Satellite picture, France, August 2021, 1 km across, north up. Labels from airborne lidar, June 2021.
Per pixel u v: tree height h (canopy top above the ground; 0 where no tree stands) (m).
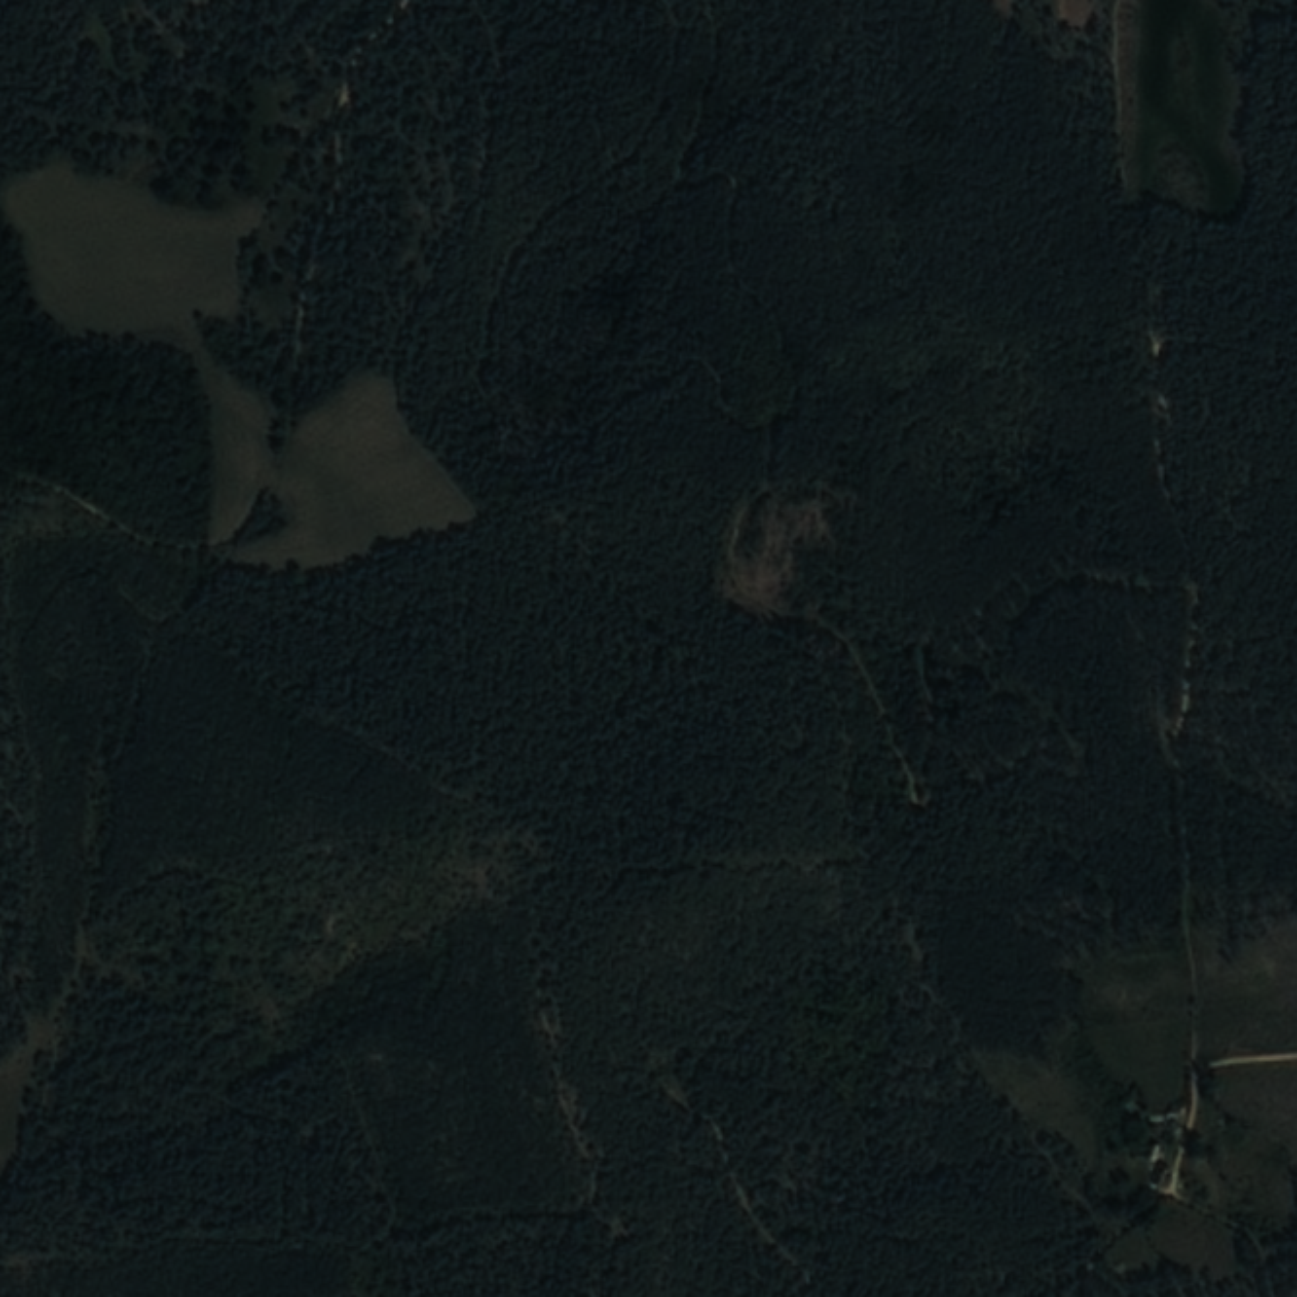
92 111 15
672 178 16
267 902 6
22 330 12
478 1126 8
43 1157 11
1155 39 0
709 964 11
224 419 0
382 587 15
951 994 17
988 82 11
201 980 7
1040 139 15
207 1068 8
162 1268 8
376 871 5
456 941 7
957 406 16
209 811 6
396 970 9
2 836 10
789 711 15
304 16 15
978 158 13
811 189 10
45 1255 14
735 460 18
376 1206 15
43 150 13
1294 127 9
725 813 8
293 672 17
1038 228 14
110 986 9
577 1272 14
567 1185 6
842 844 9
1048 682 23
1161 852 19
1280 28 16
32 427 15
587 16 19
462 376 17
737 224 13
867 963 16
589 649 12
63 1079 9
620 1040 12
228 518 0
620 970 10
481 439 15
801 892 9
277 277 6
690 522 11
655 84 18
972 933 19
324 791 7
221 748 7
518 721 14
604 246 23
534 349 21
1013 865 12
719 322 18
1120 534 17
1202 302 15
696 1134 13
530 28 14
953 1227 11
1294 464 15
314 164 8
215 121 14
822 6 14
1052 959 21
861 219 12
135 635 8
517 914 6
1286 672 15
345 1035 7
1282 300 13
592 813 14
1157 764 20
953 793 17
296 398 11
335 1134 15
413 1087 7
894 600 12
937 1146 18
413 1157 8
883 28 11
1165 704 19
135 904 7
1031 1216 16
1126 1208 13
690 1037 14
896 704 14
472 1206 8
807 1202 17
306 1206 10
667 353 14
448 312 12
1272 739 20
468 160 8
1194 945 0
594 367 18
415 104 7
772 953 16
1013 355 13
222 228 0
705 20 13
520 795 11
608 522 12
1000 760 15
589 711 16
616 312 20
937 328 13
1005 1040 20
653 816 12
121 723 6
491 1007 7
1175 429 9
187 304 0
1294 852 22
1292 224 13
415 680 14
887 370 12
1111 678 23
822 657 9
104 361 14
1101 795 20
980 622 15
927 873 17
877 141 9
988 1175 17
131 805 8
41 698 10
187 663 9
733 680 20
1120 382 13
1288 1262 19
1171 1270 19
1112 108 9
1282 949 0
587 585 16
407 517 0
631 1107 11
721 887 9
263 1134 18
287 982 6
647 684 14
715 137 16
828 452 15
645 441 12
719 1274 12
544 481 12
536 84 13
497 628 11
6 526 12
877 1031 7
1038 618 23
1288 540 18
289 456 0
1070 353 16
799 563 8
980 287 14
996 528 20
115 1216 12
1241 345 14
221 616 15
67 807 7
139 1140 14
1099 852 22
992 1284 8
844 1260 11
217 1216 11
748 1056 17
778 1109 9
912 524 17
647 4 14
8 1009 15
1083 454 19
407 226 6
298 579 13
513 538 14
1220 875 21
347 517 0
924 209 14
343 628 14
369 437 0
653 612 16
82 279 0
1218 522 16
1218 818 22
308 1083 10
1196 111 0
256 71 7
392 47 10
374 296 11
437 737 13
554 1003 8
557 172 14
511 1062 6
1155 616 19
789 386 23
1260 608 15
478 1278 13
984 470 11
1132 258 16
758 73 9
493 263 8
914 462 17
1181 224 12
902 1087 11
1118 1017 0
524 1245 11
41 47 15
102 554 11
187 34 14
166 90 15
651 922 8
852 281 13
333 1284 9
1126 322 11
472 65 9
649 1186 9
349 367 9
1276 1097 0
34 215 0
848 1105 13
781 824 11
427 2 7
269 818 8
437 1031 5
